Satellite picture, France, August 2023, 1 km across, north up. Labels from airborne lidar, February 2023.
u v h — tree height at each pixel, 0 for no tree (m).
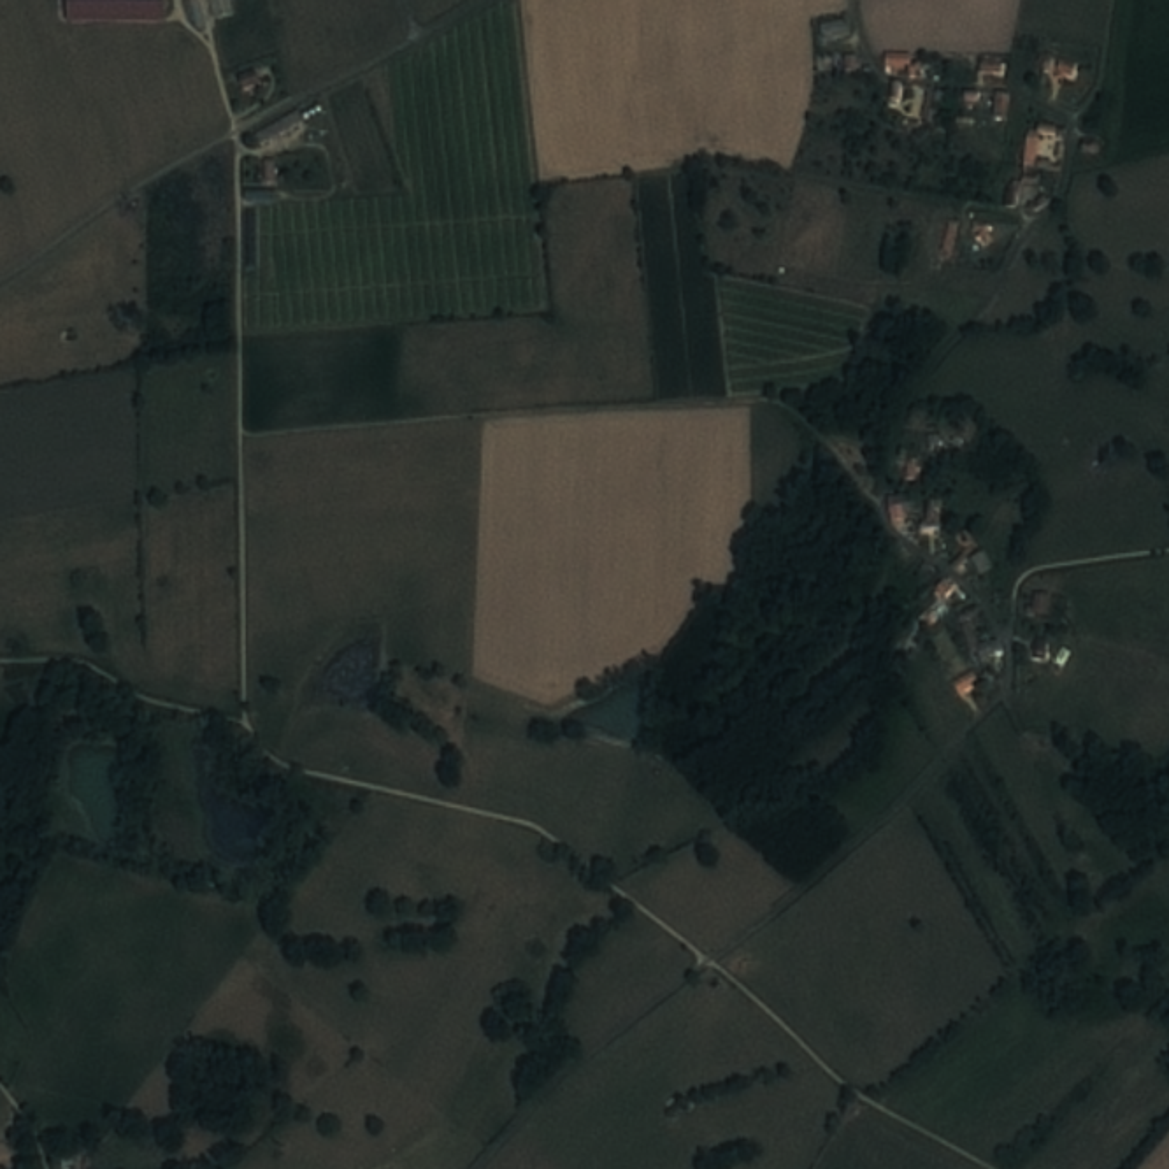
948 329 8
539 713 0
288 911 21
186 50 0
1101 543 0
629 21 0
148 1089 0
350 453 0
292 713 0
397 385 0
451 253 0
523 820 0
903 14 0
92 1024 0
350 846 0
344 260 0
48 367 0
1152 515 0
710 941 0
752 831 19
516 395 0
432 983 0
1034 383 0
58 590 0
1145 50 0
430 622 0
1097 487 0
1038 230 0
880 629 20
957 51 0
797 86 0
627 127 0
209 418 0
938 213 0
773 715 17
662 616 0
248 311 0
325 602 0
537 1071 17
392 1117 0
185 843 0
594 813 0
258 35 0
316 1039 0
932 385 0
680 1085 0
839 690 21
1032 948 0
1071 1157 0
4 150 0
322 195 0
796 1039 0
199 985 0
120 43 0
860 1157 0
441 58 0
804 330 0
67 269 0
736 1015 0
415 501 0
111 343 0
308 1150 0
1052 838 0
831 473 19
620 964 0
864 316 0
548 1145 0
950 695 0
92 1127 11
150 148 0
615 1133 0
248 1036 0
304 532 0
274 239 0
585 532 0
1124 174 0
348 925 0
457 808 0
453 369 0
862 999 0
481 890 0
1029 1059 0
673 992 0
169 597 0
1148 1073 0
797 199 0
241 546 0
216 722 18
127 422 0
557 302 0
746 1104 0
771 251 0
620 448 0
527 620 0
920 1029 0
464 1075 0
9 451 0
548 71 0
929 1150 0
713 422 0
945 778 0
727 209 0
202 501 0
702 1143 0
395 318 0
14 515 0
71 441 0
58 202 0
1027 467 17
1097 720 0
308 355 0
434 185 0
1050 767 0
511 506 0
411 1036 0
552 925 0
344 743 0
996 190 0
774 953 0
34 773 19
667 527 0
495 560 0
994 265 9
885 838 0
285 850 30
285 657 0
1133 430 0
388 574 0
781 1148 0
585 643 0
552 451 0
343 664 0
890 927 0
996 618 0
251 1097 26
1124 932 0
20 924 13
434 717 0
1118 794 21
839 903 0
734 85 0
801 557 24
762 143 0
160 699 0
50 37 0
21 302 0
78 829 0
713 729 21
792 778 22
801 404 10
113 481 0
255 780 10
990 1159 0
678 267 0
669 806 0
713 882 0
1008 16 0
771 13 0
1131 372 13
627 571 0
